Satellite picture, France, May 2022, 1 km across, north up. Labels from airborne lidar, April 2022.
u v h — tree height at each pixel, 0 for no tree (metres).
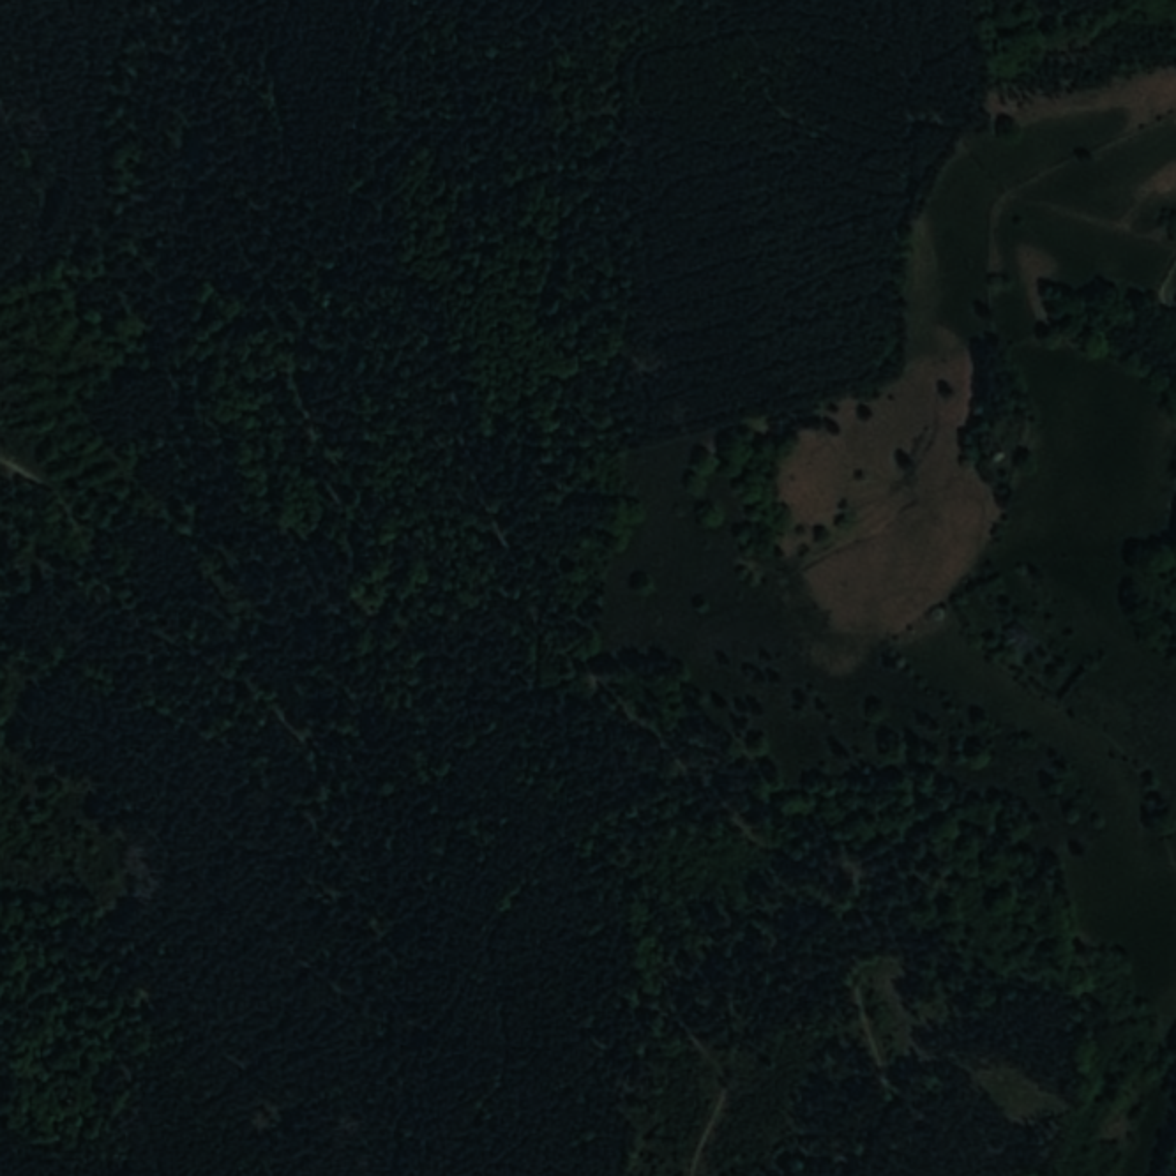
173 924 27
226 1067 25
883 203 17
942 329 0
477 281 20
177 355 34
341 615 33
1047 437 0
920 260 0
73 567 28
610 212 25
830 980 29
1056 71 10
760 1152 5
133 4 33
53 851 9
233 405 31
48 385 9
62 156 27
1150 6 21
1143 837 0
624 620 0
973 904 7
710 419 22
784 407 23
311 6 24
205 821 21
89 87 29
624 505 19
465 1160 23
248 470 32
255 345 30
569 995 19
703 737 32
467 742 23
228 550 30
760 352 25
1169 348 18
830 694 0
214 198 30
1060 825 0
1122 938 0
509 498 24
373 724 27
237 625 6
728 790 29
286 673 26
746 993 25
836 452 0
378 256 29
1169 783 0
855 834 21
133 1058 21
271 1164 10
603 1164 19
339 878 23
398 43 27
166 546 25
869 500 0
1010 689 0
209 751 26
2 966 25
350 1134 22
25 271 18
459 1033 21
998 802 15
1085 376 0
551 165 21
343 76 21
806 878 27
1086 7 22
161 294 39
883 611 0
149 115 33
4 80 25
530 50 29
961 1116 29
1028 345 0
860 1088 27
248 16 31
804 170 20
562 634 18
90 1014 19
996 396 17
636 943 23
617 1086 22
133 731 27
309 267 30
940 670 0
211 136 33
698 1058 6
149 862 23
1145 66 6
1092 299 19
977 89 27
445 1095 20
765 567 0
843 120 16
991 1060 29
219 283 32
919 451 0
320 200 25
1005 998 19
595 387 20
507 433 23
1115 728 0
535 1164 20
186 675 21
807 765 0
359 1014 26
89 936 21
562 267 22
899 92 21
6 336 9
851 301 25
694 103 15
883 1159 28
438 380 29
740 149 21
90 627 25
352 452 29
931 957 18
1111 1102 24
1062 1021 30
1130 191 0
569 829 19
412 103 30
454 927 23
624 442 17
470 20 23
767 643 0
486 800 22
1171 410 19
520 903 20
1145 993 0
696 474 11
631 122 16
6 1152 18
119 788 19
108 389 21
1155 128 0
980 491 0
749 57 16
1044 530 0
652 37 10
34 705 19
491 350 25
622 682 9
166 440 16
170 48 28
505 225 25
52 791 13
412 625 27
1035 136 0
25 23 17
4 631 21
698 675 0
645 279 20
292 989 21
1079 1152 9
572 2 26
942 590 0
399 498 29
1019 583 0
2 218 27
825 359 26
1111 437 0
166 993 16
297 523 23
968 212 0
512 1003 26
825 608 0
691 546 0
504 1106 19
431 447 22
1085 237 0
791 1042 8
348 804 23
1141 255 0
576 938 15
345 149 19
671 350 22
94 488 6
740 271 23
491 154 20
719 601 0
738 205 26
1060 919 26
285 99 23
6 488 11
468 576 26
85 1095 24
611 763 25
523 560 22
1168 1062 13
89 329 30
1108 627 0
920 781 16
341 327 27
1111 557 0
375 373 26
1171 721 0
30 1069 24
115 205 26
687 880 11
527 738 25
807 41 21
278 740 23
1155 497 0
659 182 20
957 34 21
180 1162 16
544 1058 23
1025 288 0
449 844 20
